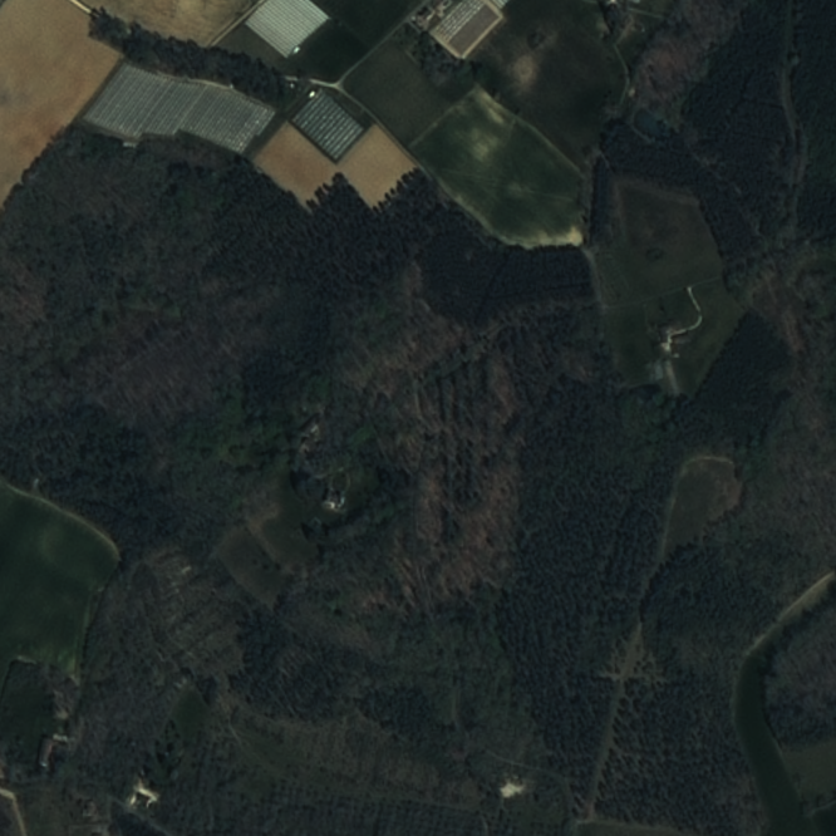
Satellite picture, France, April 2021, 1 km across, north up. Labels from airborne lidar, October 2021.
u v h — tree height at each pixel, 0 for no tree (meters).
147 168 22
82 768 11
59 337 22
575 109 0
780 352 12
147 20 0
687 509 0
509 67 0
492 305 17
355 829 14
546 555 17
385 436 10
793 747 22
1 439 22
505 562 23
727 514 0
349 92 0
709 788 22
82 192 16
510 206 0
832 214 12
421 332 21
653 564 18
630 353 0
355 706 17
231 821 9
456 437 12
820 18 12
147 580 7
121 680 13
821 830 0
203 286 22
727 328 0
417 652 24
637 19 0
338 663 21
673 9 17
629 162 17
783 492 22
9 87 0
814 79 12
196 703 0
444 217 16
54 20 0
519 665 21
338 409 23
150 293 24
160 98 0
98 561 0
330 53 0
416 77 0
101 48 0
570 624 15
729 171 16
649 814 16
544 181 0
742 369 11
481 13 0
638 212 0
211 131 0
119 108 0
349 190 9
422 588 22
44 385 22
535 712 21
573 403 12
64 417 16
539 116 0
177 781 10
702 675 21
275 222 18
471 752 23
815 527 21
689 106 8
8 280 19
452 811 8
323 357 21
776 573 23
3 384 17
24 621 0
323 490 14
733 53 10
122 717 14
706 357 0
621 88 0
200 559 8
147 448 25
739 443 7
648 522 21
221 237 19
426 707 24
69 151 19
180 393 30
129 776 14
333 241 20
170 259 12
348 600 26
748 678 0
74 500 20
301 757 0
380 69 0
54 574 0
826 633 22
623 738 18
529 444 25
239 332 22
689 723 20
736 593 24
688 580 22
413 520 28
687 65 15
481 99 0
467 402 19
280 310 20
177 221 22
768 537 23
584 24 0
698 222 0
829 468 23
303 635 20
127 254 10
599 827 0
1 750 22
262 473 7
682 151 16
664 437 19
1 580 0
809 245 13
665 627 17
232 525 24
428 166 0
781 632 0
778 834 0
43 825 0
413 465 22
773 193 17
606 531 18
